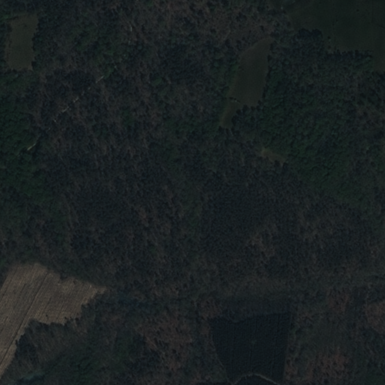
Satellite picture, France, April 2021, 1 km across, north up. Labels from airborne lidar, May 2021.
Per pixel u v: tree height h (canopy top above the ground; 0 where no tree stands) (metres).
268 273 20
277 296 12
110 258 27
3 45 22
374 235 24
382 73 0
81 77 15
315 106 18
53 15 22
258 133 21
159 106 16
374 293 7
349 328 9
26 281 0
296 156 15
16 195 29
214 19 7
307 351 18
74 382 24
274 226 16
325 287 18
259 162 22
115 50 16
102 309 12
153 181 26
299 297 14
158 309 19
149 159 16
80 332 13
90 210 23
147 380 11
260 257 20
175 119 18
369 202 22
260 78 0
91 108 21
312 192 17
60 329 16
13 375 18
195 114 16
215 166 21
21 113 20
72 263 16
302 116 12
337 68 13
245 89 0
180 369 9
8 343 0
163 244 19
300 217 14
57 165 25
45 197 26
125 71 7
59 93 15
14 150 27
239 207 23
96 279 19
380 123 10
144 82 17
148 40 12
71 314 0
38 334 12
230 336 14
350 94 26
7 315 0
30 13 16
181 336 8
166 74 25
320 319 16
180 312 14
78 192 15
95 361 18
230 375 13
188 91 14
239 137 26
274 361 11
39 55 15
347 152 22
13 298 0
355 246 24
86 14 24
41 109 14
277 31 21
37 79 18
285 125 22
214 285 21
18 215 17
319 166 22
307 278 15
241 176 26
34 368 15
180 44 16
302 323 12
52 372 21
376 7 0
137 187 13
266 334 14
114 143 20
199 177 26
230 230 24
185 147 11
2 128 17
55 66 15
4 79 21
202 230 25
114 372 17
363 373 11
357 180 16
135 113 8
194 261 25
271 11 9
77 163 24
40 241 8
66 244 24
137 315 20
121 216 16
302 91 29
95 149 26
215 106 13
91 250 26
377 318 12
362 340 7
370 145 20
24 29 0
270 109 17
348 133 23
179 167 20
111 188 14
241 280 14
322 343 10
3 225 16
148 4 18
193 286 16
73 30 22
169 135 13
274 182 24
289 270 22
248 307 8
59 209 20
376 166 18
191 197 25
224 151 18
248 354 13
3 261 16
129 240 23
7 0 15
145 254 12
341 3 0
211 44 10
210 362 17
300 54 28
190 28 21
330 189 21
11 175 21
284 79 13
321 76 18
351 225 22
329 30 0
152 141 24
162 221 21
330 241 15
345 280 17
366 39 0
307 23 0
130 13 24
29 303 0
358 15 0
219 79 22
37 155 16
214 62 14
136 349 16
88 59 22
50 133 26
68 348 16
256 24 17
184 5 16
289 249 21
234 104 0
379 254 19
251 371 12
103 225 19
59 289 0
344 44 0
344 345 8
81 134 25
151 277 23
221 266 20
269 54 0
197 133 20
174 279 25
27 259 18
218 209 24
